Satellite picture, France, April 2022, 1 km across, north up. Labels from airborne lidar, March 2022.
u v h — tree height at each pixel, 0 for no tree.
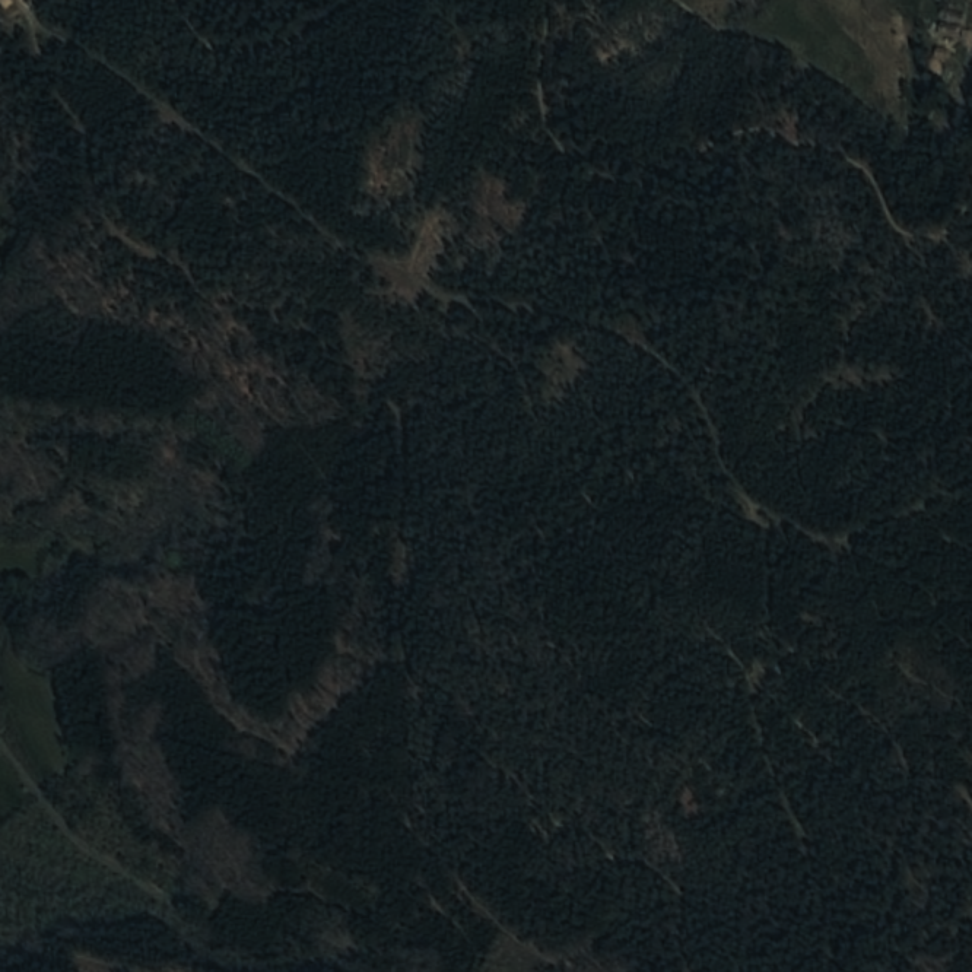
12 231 22
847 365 26
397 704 15
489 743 21
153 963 25
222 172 24
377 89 26
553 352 24
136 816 7
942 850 6
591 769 17
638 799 19
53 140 22
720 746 22
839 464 18
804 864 20
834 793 23
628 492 17
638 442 25
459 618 19
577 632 15
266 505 21
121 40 23
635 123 22
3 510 25
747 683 10
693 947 25
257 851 26
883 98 0
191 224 15
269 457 19
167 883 14
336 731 24
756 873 20
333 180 17
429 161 18
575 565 19
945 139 0
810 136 17
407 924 19
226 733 18
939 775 6
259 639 22
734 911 26
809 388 17
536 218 19
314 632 27
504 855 22
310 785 17
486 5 14
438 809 27
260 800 25
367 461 19
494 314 27
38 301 27
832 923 21
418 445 19
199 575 15
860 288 27
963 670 12
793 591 17
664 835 22
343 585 11
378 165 0
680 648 16
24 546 17
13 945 9
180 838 26
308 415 26
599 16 10
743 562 16
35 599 23
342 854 20
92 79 12
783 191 6
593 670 16
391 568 13
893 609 13
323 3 12
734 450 19
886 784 8
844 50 0
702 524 22
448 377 17
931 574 12
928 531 14
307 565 24
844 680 9
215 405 27
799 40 0
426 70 26
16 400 24
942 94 25
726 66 23
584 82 14
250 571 22
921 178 17
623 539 17
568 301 19
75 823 12
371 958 17
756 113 6
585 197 18
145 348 29
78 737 32
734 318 24
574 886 26
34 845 6
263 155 26
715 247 28
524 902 20
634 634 14
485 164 14
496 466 21
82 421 25
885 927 24
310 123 21
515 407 24
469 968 20
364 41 19
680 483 22
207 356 23
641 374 24
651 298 14
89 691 33
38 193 21
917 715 7
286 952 17
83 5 11
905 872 26
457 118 18
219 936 17
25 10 0
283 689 24
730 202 28
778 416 19
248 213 15
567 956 25
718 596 14
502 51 23
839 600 16
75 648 31
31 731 0
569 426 20
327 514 26
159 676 13
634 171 8
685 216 21
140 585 29
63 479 17
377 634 12
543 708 11
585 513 12
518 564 17
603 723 19
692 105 24
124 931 18
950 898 18
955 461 11
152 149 21
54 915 7
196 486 29
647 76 15
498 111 12
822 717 6
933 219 15
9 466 32
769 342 18
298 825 14
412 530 18
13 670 0
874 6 0
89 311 24
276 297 11
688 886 20
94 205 20
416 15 18
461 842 24
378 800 19
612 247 14
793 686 16
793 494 21
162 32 25
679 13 8
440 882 26
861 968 25
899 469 13
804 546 23
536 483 18
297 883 10
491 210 15
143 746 25
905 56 0
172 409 30
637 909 20
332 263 11
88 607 29
